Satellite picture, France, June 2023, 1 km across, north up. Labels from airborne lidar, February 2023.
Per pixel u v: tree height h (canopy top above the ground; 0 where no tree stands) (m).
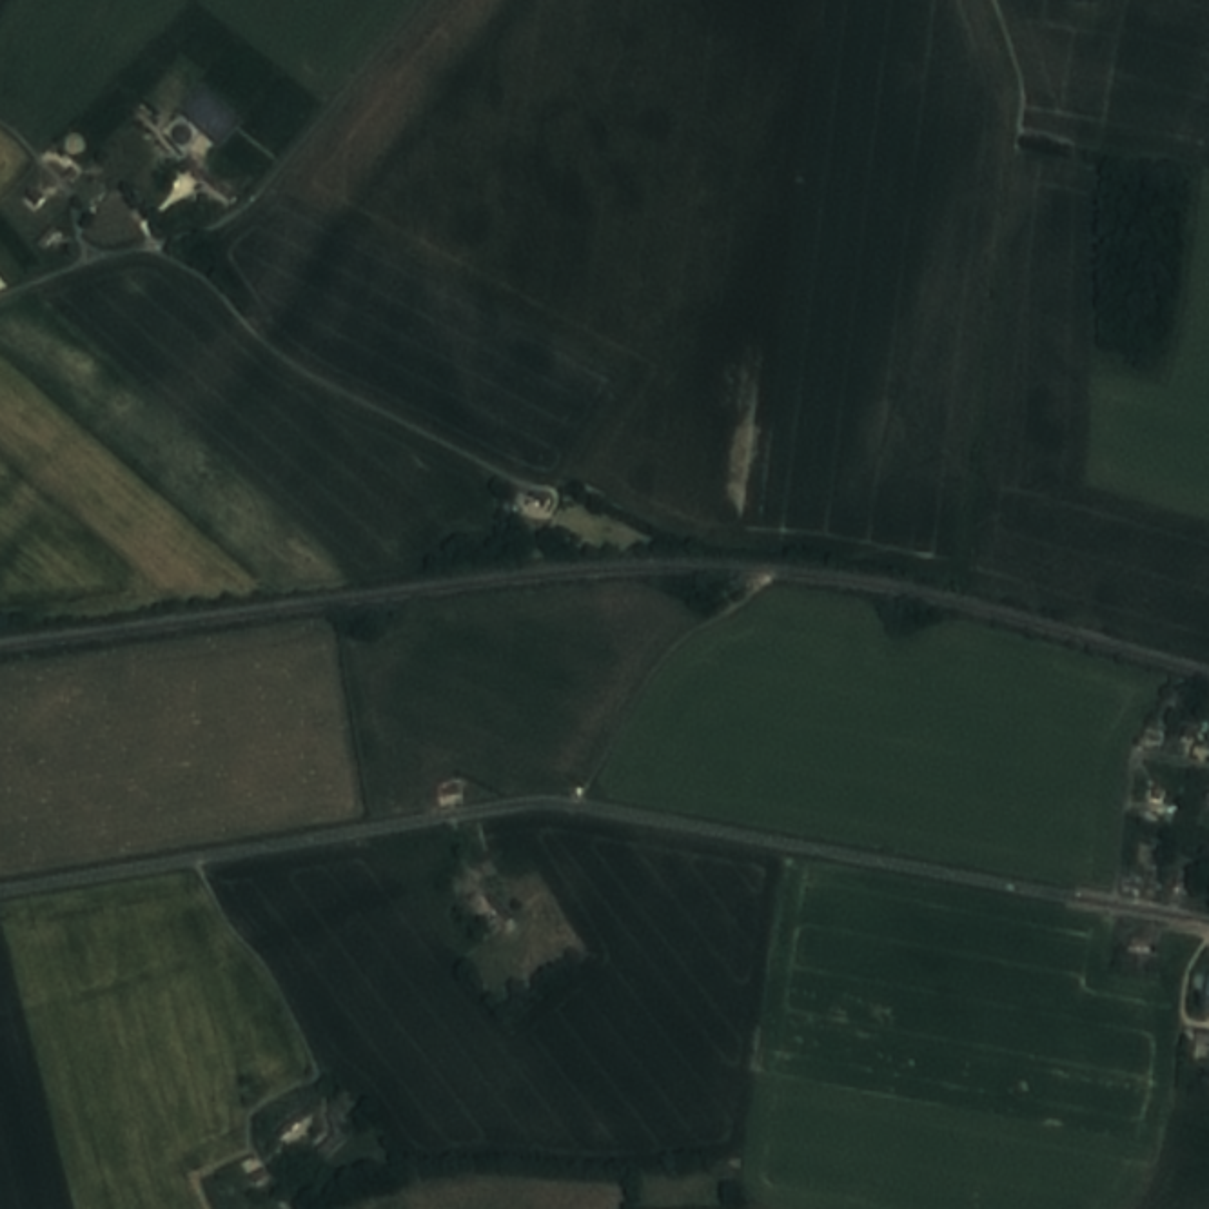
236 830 0
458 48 0
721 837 0
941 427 0
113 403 0
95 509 0
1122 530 0
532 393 0
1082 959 0
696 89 0
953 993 0
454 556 16
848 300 0
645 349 0
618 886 0
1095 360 0
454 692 0
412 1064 0
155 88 0
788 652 0
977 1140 0
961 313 0
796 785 0
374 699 0
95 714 0
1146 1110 0
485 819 0
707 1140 0
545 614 0
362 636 16
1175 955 0
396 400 0
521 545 18
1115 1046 0
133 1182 0
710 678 0
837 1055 0
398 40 0
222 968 0
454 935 0
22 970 0
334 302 0
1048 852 0
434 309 0
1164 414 0
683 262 0
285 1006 0
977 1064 0
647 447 0
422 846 0
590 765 0
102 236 0
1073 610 0
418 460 0
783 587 7
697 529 0
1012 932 0
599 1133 0
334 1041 0
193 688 0
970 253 0
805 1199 0
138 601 0
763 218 0
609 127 0
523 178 0
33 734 0
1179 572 0
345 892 0
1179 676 7
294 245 0
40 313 0
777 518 0
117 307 0
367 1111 19
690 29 0
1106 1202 0
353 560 0
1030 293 0
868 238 0
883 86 0
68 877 0
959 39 0
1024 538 0
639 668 0
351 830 0
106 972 0
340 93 0
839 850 0
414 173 0
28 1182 0
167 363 0
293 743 0
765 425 0
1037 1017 0
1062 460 0
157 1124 0
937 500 0
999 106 0
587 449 0
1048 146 10
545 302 0
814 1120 0
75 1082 0
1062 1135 0
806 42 0
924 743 0
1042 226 0
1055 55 0
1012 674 0
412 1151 0
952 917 0
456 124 0
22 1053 0
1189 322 0
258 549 0
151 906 0
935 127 0
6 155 0
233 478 0
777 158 0
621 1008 0
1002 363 0
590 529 0
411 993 0
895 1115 0
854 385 0
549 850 0
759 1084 0
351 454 0
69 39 0
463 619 0
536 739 0
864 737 0
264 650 0
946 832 0
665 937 0
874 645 0
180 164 6
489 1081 0
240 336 0
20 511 0
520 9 0
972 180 0
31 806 0
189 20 0
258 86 0
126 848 0
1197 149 0
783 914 0
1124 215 18
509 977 0
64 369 0
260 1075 0
